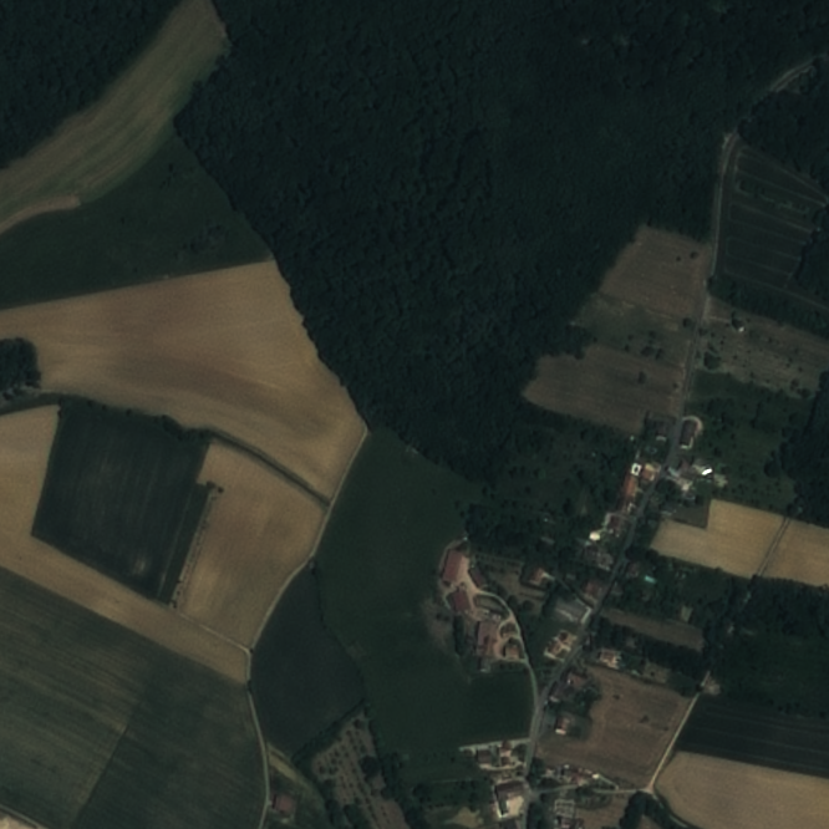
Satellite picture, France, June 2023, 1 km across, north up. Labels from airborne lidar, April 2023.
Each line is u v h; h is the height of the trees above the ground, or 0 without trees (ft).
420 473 0
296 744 0
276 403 0
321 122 80
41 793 0
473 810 25
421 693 0
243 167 80
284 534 0
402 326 70
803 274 53
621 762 0
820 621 107
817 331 30
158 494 0
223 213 0
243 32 66
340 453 0
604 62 69
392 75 70
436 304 82
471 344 91
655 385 0
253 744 0
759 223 0
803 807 0
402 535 0
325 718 0
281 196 79
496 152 62
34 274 0
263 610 0
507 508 36
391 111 74
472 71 56
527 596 0
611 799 0
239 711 0
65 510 0
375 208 64
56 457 0
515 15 70
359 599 0
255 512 0
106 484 0
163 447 0
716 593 0
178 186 0
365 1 95
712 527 0
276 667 0
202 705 0
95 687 0
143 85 0
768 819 0
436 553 0
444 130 37
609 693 0
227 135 84
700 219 42
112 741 0
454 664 0
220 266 0
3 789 0
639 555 55
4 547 0
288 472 0
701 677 52
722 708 0
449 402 67
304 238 73
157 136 0
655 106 74
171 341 0
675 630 0
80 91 84
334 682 0
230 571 0
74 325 0
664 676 0
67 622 0
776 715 0
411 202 57
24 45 95
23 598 0
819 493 74
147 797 0
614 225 72
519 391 63
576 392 0
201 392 0
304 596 0
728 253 0
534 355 90
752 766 0
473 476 49
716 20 92
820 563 0
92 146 0
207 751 0
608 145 72
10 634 0
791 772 0
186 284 0
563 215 55
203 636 0
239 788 0
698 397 0
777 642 0
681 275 0
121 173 0
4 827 0
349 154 94
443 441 61
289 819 0
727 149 0
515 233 71
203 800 0
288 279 68
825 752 0
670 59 68
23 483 0
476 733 0
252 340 0
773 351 0
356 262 90
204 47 0
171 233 0
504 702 0
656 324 0
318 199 97
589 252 73
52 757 0
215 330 0
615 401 0
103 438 0
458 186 52
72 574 0
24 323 0
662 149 74
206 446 0
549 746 0
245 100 101
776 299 35
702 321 0
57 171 0
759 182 0
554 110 54
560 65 54
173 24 0
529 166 61
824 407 80
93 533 0
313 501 0
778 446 0
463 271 84
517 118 64
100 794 0
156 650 0
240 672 0
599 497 38
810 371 0
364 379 71
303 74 83
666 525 0
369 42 55
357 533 0
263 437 0
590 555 0
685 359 0
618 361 0
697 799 0
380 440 0
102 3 85
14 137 99
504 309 97
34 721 0
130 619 0
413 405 76
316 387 0
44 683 0
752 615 86
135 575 0
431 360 56
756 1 86
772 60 94
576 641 0
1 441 0
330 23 80
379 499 0
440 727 0
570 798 0
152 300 0
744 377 0
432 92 74
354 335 86
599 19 82
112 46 82
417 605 0
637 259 0
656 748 0
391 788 24
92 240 0
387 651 0
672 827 26
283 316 0
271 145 83
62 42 91
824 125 103
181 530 0
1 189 0
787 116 79
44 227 0
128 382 0
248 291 0
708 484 0
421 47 54
